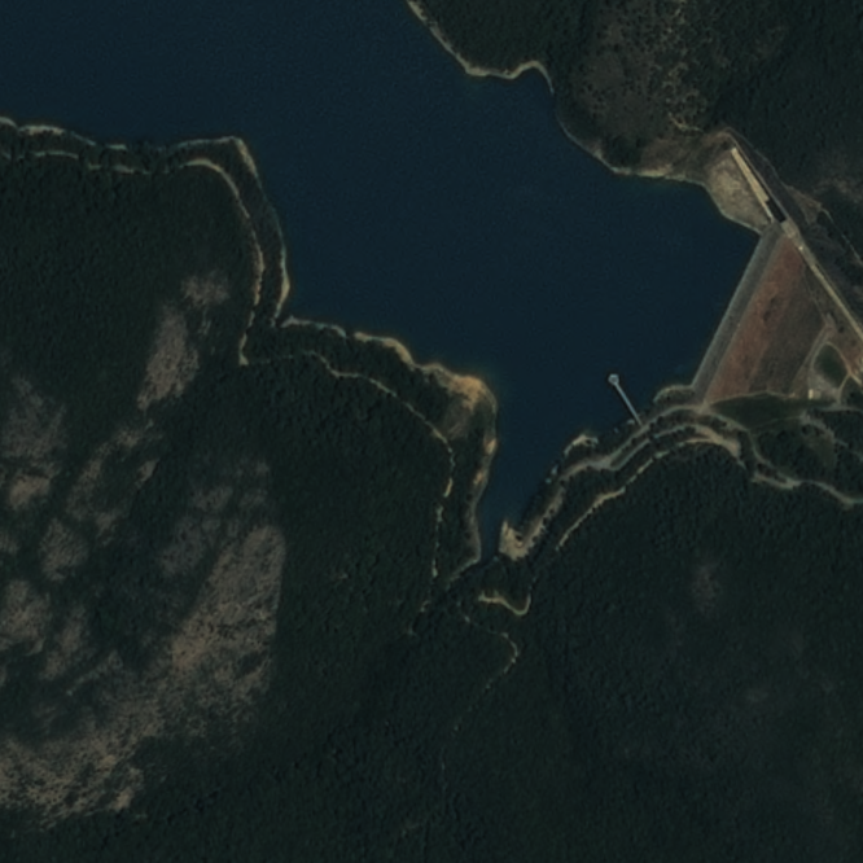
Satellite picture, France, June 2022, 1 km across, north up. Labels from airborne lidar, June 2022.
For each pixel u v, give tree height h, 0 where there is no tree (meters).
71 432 8
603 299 0
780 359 0
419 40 0
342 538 9
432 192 0
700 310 0
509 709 10
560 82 8
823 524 10
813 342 0
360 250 0
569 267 0
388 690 18
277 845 7
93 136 0
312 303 0
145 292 10
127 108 0
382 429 10
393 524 8
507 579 11
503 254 0
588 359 0
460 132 0
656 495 6
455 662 12
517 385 0
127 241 7
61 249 11
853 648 8
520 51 12
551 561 9
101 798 7
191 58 0
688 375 0
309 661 11
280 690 9
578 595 11
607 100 10
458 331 0
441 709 9
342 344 7
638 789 12
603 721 9
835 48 6
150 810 17
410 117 0
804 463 15
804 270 0
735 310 0
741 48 10
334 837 18
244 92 0
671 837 9
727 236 0
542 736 8
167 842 13
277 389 20
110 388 6
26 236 15
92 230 9
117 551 7
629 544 7
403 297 0
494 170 0
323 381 12
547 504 12
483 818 12
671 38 7
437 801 13
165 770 11
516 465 0
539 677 11
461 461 11
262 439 7
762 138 6
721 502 20
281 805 14
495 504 0
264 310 10
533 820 10
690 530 8
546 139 0
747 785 6
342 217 0
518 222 0
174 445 10
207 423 6
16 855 6
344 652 9
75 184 9
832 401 0
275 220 14
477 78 0
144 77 0
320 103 0
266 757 16
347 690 9
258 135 0
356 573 14
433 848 11
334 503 9
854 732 8
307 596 11
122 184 15
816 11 12
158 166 16
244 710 8
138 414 11
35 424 0
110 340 9
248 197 9
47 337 10
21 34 0
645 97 7
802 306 0
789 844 11
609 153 8
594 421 0
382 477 15
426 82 0
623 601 11
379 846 13
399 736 14
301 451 14
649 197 0
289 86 0
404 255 0
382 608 13
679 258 0
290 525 7
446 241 0
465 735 9
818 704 7
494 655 11
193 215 6
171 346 0
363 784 13
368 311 0
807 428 7
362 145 0
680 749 8
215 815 23
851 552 12
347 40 0
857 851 6
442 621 14
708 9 11
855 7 6
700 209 0
